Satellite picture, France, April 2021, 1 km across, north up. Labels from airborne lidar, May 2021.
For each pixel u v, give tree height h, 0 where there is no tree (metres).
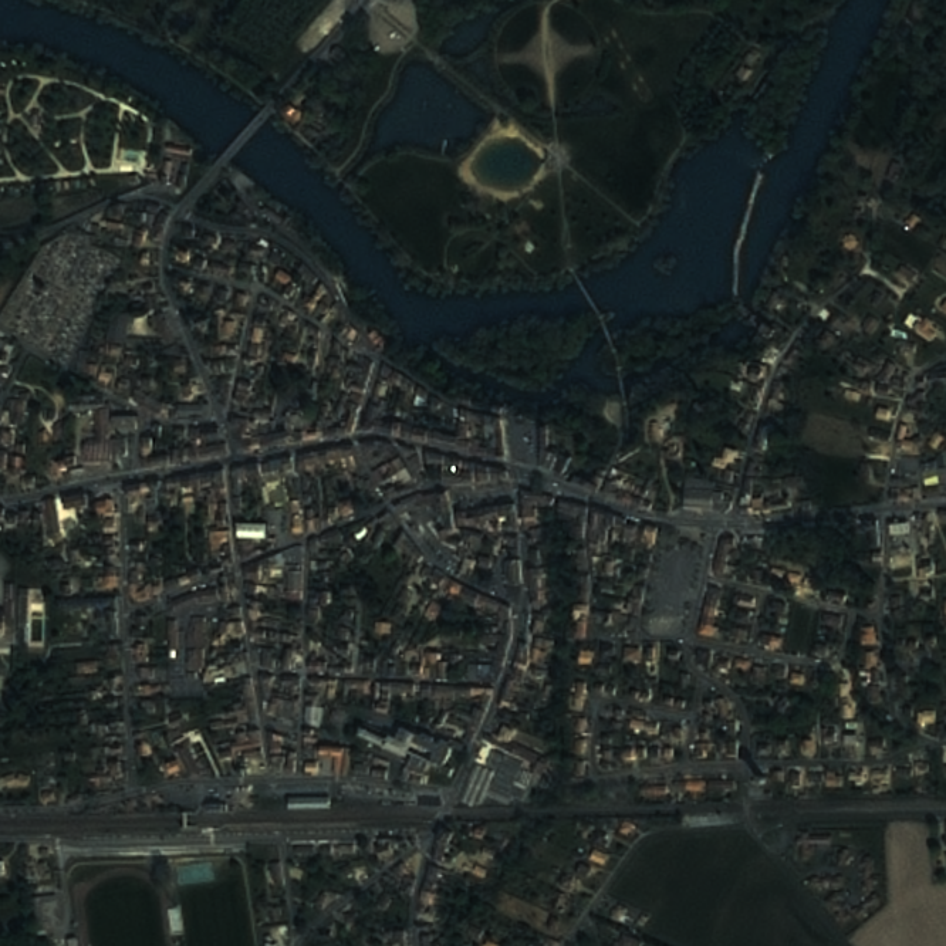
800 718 16
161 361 11
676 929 0
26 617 0
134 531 0
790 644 0
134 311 13
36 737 9
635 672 15
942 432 6
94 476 0
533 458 0
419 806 0
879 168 0
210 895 0
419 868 0
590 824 9
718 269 0
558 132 0
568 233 0
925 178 18
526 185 0
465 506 11
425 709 8
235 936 0
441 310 0
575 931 0
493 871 15
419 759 0
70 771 12
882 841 0
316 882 7
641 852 0
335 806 7
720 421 21
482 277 12
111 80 15
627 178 0
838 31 0
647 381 17
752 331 8
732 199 0
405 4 0
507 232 16
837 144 13
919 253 0
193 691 0
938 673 16
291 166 0
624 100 0
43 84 0
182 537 11
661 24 0
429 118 0
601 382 0
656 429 0
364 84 19
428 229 0
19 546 7
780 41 11
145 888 0
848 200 17
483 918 6
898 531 0
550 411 19
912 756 0
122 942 0
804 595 0
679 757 11
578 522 0
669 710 0
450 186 0
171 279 10
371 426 0
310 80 11
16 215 0
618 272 0
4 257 25
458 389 22
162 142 12
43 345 0
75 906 0
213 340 9
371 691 6
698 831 0
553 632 11
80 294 0
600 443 13
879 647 0
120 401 0
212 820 0
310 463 0
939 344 0
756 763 0
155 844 0
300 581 0
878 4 0
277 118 9
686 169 0
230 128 0
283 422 0
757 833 0
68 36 0
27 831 0
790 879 0
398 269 8
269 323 6
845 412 0
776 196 0
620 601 6
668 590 0
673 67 0
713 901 0
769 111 12
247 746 0
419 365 13
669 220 0
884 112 0
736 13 0
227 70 17
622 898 0
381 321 20
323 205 0
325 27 0
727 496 6
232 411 0
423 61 0
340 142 11
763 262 0
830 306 0
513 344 24
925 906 0
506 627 0
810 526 20
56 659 6
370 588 11
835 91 0
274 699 0
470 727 0
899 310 0
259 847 0
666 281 0
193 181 0
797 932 0
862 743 0
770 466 12
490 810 0
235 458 0
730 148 0
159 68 0
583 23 0
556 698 12
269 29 13
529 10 0
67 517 0
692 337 10
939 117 0
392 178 0
